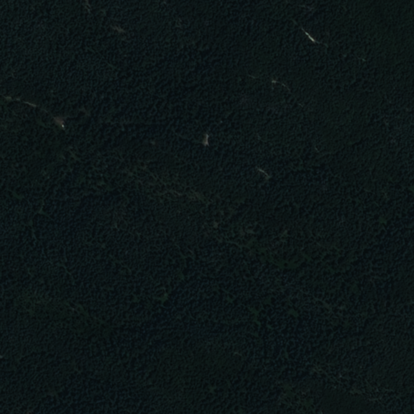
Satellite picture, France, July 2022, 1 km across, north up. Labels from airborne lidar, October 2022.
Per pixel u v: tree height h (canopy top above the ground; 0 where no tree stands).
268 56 18
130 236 23
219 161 24
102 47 24
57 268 22
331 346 18
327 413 20
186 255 19
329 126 20
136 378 22
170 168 17
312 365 18
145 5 18
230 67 21
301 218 29
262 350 23
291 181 23
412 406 25
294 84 17
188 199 19
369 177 17
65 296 12
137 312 13
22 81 21
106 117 22
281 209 26
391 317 22
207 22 23
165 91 21
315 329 18
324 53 16
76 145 21
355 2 12
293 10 20
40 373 18
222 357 14
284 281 26
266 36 17
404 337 24
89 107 19
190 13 21
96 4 24
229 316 16
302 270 17
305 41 24
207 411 24
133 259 20
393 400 23
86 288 17
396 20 11
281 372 17
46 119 19
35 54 14
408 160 21
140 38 19
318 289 14
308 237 20
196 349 17
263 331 13
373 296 21
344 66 23
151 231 25
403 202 18
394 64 23
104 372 25
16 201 6
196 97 21
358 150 26
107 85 16
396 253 7
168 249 25
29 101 20
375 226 26
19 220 23
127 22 27
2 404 23
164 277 15
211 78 23
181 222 20
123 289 17
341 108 16
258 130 15
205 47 27
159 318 20
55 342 29
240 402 9
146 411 20
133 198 22
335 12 15
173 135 34
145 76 17
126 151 17
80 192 28
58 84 22
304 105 17
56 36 22
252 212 21
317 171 23
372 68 25
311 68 23
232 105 29
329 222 22
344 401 18
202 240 25
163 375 7
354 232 31
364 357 25
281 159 19
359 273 24
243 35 24
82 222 18
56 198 23
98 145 7
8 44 25
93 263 22
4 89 17
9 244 20
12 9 12
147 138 17
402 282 20
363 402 17
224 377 12
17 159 21
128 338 19
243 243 16
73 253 19
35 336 22
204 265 16
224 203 22
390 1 9
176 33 24
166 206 15
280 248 22
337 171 20
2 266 26
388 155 26
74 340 21
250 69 20
